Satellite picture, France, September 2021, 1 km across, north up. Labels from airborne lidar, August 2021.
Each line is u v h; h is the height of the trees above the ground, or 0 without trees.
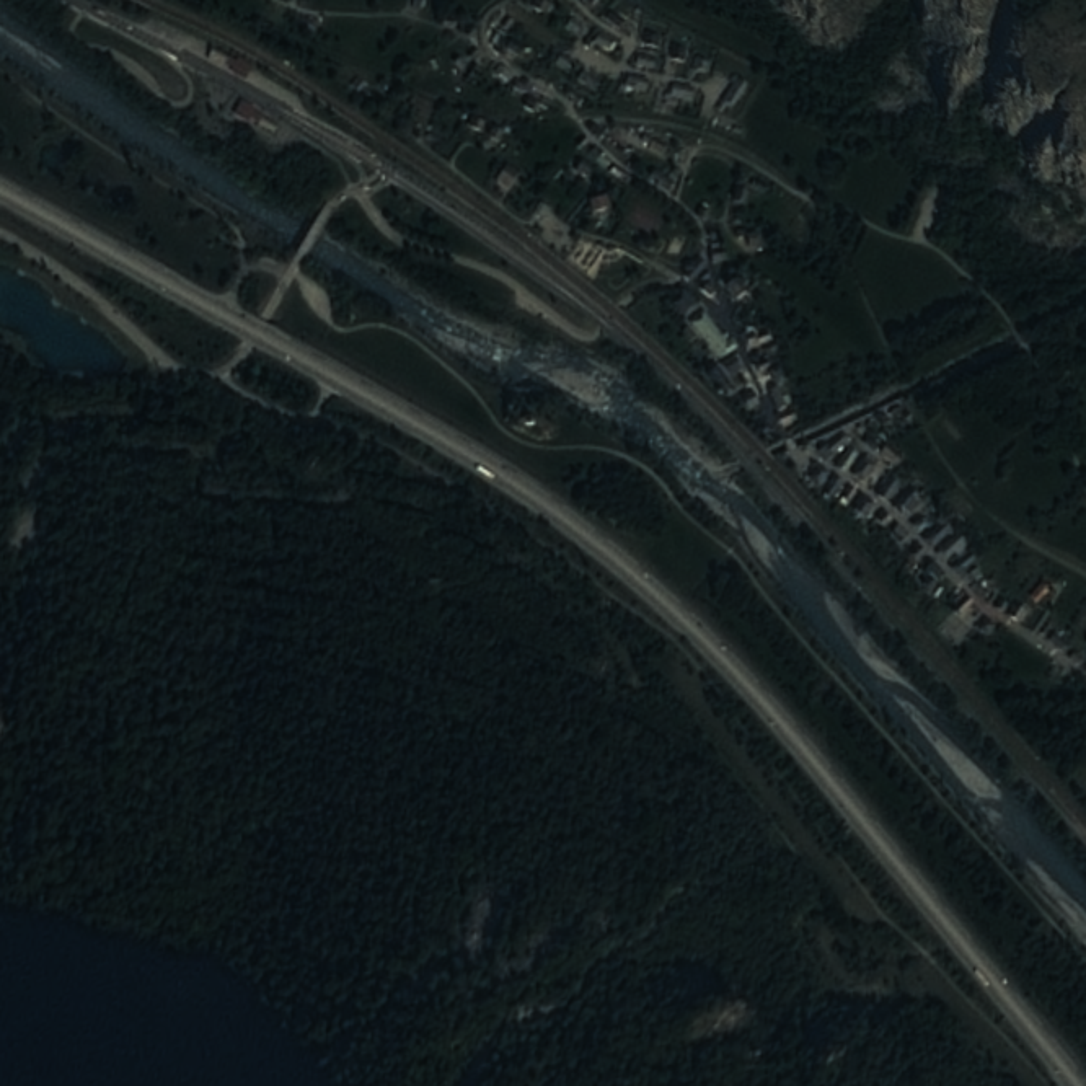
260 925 10
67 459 8
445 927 6
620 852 13
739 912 13
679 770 15
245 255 6
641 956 7
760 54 0
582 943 7
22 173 0
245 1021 18
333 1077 10
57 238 0
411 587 10
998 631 6
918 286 0
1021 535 0
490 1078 9
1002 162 9
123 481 12
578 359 0
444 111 9
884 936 7
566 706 12
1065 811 0
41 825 17
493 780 15
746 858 11
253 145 13
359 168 0
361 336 0
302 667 13
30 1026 25
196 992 12
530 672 15
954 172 13
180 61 0
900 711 0
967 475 0
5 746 14
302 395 7
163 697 17
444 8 14
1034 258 13
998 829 0
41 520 9
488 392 0
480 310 10
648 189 12
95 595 13
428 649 13
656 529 12
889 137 13
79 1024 22
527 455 0
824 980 9
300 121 0
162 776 11
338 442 19
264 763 15
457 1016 8
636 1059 11
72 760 17
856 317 0
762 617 15
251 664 15
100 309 0
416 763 11
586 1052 14
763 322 8
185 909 20
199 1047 16
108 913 20
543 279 0
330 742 16
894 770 14
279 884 15
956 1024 12
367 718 16
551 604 17
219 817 9
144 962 15
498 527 13
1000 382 16
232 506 8
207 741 8
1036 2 6
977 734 14
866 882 7
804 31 9
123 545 10
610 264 0
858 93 9
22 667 22
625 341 0
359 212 0
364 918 17
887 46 11
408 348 0
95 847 18
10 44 0
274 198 17
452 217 0
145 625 12
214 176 0
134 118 0
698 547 0
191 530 13
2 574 11
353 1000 9
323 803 14
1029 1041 0
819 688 6
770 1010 14
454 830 10
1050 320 18
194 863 16
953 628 0
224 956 13
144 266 0
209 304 0
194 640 11
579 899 7
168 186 0
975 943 0
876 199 0
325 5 0
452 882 9
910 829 8
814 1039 10
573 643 13
